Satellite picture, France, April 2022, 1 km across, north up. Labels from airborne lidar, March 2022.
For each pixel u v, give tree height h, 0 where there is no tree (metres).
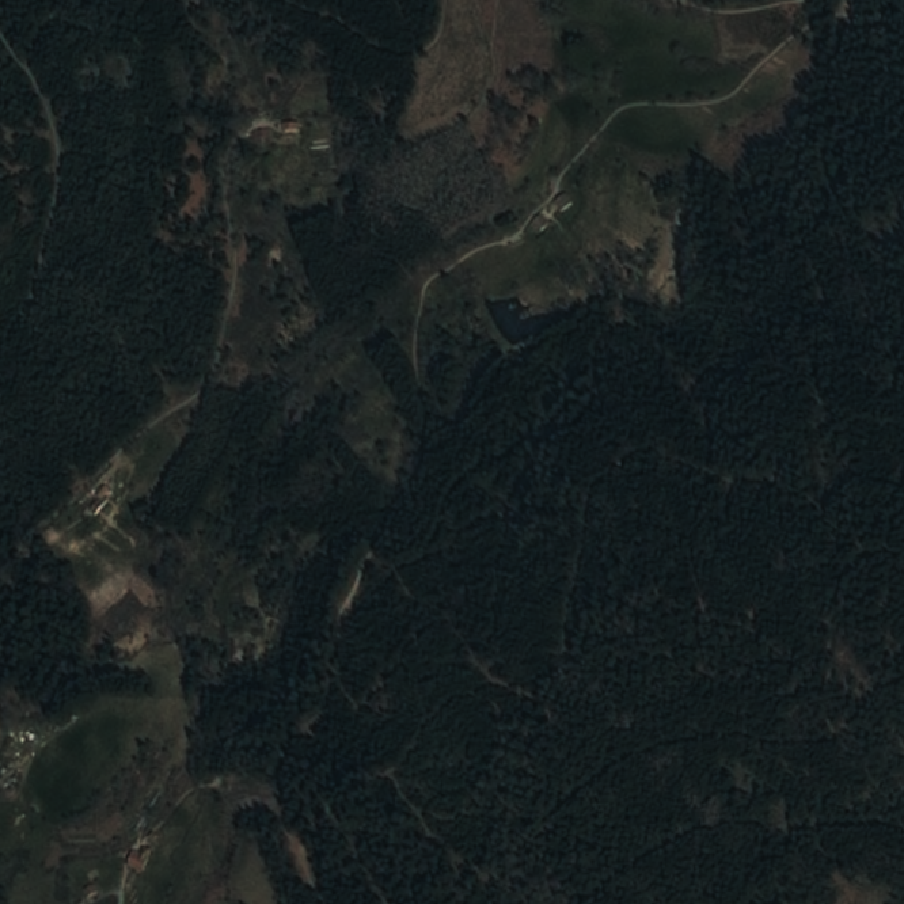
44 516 24
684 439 18
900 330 22
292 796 27
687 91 0
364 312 21
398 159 20
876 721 29
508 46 0
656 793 25
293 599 12
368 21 18
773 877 35
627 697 28
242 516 12
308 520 13
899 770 26
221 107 11
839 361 23
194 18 21
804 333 12
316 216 10
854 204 29
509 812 17
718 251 16
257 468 31
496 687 8
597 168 0
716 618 20
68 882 12
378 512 8
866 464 7
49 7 22
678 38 0
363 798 25
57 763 0
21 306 6
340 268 21
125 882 0
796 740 22
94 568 0
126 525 0
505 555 9
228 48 17
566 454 18
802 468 22
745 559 12
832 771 22
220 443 18
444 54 0
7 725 21
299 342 11
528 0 0
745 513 14
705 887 26
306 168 0
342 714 11
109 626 0
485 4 0
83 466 25
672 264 0
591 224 0
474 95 0
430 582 10
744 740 21
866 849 23
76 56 14
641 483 13
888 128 22
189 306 27
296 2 13
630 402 11
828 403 20
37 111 8
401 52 14
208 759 29
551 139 0
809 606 17
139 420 21
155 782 0
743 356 13
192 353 27
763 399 31
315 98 0
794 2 0
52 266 13
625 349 12
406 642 11
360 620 10
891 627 34
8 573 27
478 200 24
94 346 22
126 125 17
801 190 26
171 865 0
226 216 18
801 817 25
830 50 25
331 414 23
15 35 22
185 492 25
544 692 25
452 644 7
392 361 30
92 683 21
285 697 21
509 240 0
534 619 9
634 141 0
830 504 13
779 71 0
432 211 23
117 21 29
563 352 6
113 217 26
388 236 27
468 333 12
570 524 7
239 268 0
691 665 25
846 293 23
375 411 0
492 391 21
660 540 17
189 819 0
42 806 0
